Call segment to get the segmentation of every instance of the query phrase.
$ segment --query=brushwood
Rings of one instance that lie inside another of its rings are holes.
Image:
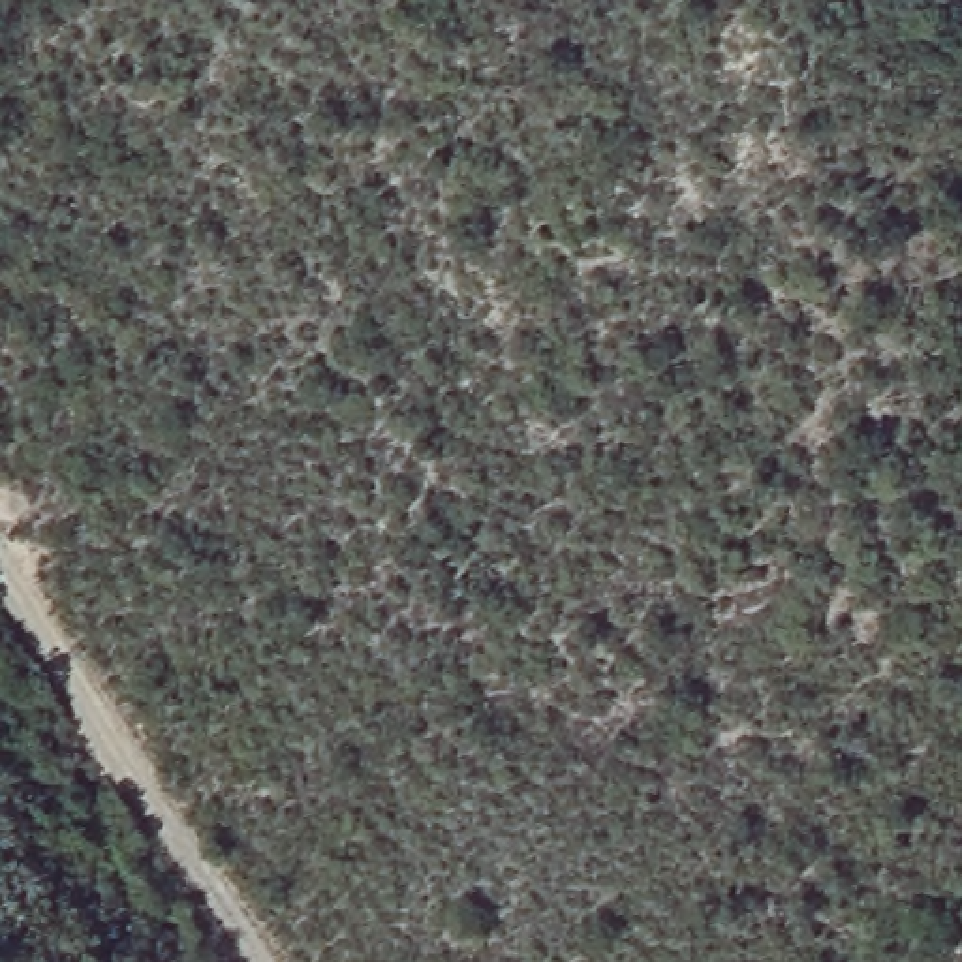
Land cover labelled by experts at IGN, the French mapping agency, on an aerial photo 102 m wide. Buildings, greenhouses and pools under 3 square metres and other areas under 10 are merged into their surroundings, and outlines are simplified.
[[[45,545],[38,560],[38,582],[45,590],[49,613],[101,673],[105,691],[124,710],[124,722],[143,722],[143,752],[154,759],[162,789],[180,800],[184,823],[199,834],[203,857],[225,868],[237,894],[256,909],[267,932],[278,936],[278,947],[271,951],[274,962],[962,962],[962,86],[947,86],[939,79],[913,83],[906,71],[906,49],[872,38],[864,11],[868,0],[0,0],[0,485],[26,492],[26,519],[11,526],[11,537],[26,545]]]
[[[15,752],[0,752],[0,962],[180,962],[177,924],[158,921],[150,936],[139,936],[132,928],[132,902],[120,876],[109,879],[113,894],[101,898],[98,891],[86,891],[79,883],[79,872],[68,868],[60,853],[45,853],[38,846],[38,827],[30,815],[38,808],[60,808],[56,785],[34,782],[26,759],[19,759]]]

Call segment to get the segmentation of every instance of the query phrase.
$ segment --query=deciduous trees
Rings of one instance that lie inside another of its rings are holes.
[[[906,71],[913,83],[939,79],[947,86],[962,86],[962,0],[868,0],[864,11],[872,38],[906,49]]]
[[[192,909],[184,902],[162,902],[150,891],[150,883],[135,872],[143,834],[132,827],[128,808],[116,797],[116,785],[124,778],[101,774],[79,729],[75,706],[60,706],[41,680],[19,680],[8,669],[8,650],[0,646],[0,752],[15,752],[19,759],[26,759],[34,782],[56,785],[60,808],[38,808],[30,815],[38,827],[38,846],[45,853],[60,853],[68,868],[79,872],[79,883],[86,891],[98,891],[101,898],[113,894],[109,879],[120,876],[132,902],[132,928],[139,936],[150,936],[158,921],[177,924],[180,962],[214,962],[210,951],[199,947]]]

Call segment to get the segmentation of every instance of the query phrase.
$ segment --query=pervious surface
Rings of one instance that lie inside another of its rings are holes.
[[[11,526],[26,519],[26,492],[0,485],[0,646],[8,650],[8,669],[19,680],[41,680],[60,706],[75,706],[79,729],[101,774],[124,778],[116,785],[116,797],[128,808],[132,827],[143,834],[135,872],[150,883],[150,891],[162,902],[184,902],[192,909],[199,947],[210,951],[214,962],[274,962],[271,951],[278,947],[278,936],[267,932],[256,909],[237,894],[225,868],[203,857],[199,834],[184,823],[180,800],[162,789],[154,759],[143,752],[143,722],[124,722],[124,710],[105,691],[101,673],[49,613],[45,590],[38,582],[38,560],[45,545],[26,545],[11,537]]]

